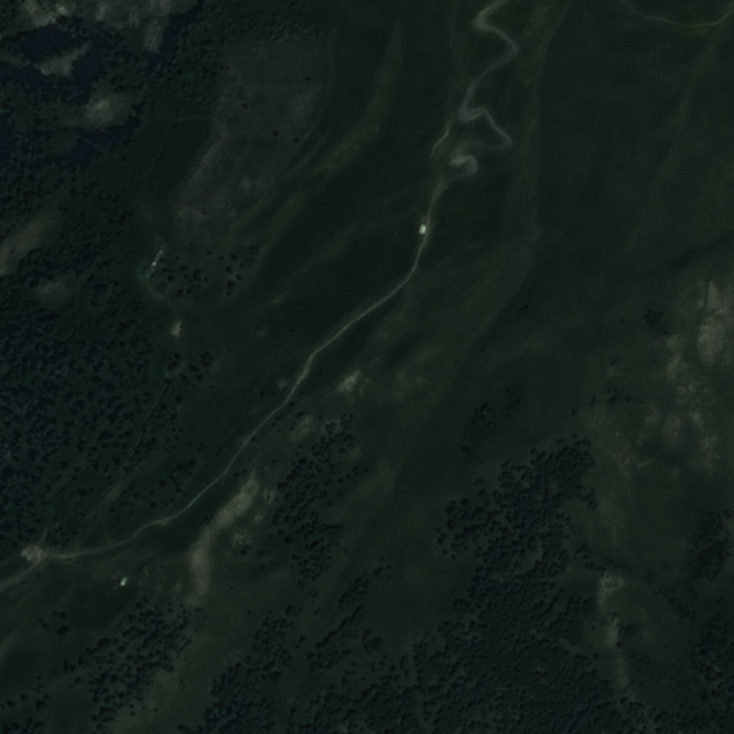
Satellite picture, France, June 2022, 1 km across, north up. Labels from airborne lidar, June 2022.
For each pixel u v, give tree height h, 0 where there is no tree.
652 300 0
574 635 16
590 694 20
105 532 0
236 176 0
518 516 20
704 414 0
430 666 16
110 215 10
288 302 0
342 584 0
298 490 7
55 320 18
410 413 0
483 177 0
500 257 0
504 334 0
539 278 0
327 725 16
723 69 0
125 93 14
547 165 0
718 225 0
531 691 22
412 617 0
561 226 0
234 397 0
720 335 0
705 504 0
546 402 0
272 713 13
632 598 0
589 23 0
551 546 17
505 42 0
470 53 0
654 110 0
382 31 0
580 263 0
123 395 6
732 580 0
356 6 0
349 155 0
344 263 0
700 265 0
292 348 0
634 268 0
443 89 0
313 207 0
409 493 0
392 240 0
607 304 0
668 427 0
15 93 8
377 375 0
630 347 0
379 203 0
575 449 8
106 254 7
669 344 0
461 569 0
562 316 0
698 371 0
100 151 8
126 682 13
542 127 0
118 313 13
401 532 0
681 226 0
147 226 0
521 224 0
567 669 17
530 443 0
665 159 0
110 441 20
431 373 0
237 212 0
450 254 0
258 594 0
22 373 8
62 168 14
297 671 0
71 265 5
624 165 0
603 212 0
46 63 15
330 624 0
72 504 8
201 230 0
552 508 19
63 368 25
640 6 0
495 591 20
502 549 17
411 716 17
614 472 0
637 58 0
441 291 0
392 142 0
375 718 17
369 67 0
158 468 0
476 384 0
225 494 0
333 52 0
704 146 0
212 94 6
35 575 0
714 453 0
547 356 0
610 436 0
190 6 0
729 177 0
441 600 0
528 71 0
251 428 0
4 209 16
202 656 0
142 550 0
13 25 7
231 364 0
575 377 0
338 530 16
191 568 0
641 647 0
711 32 0
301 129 0
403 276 0
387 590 0
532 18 0
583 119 0
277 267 0
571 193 0
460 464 0
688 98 0
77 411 6
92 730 0
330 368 0
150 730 0
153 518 0
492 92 0
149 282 0
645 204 0
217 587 0
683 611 9
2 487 6
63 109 0
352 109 0
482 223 0
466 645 20
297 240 0
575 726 23
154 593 0
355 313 0
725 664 17
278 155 0
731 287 0
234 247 0
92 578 0
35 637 0
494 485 0
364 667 0
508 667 16
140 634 19
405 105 0
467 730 16
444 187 0
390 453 0
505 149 0
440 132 0
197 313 0
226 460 0
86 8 0
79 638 0
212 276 0
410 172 0
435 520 0
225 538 0
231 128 0
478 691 19
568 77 0
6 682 0
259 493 0
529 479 13
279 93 0
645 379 0
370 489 0
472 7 0
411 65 0
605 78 0
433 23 0
